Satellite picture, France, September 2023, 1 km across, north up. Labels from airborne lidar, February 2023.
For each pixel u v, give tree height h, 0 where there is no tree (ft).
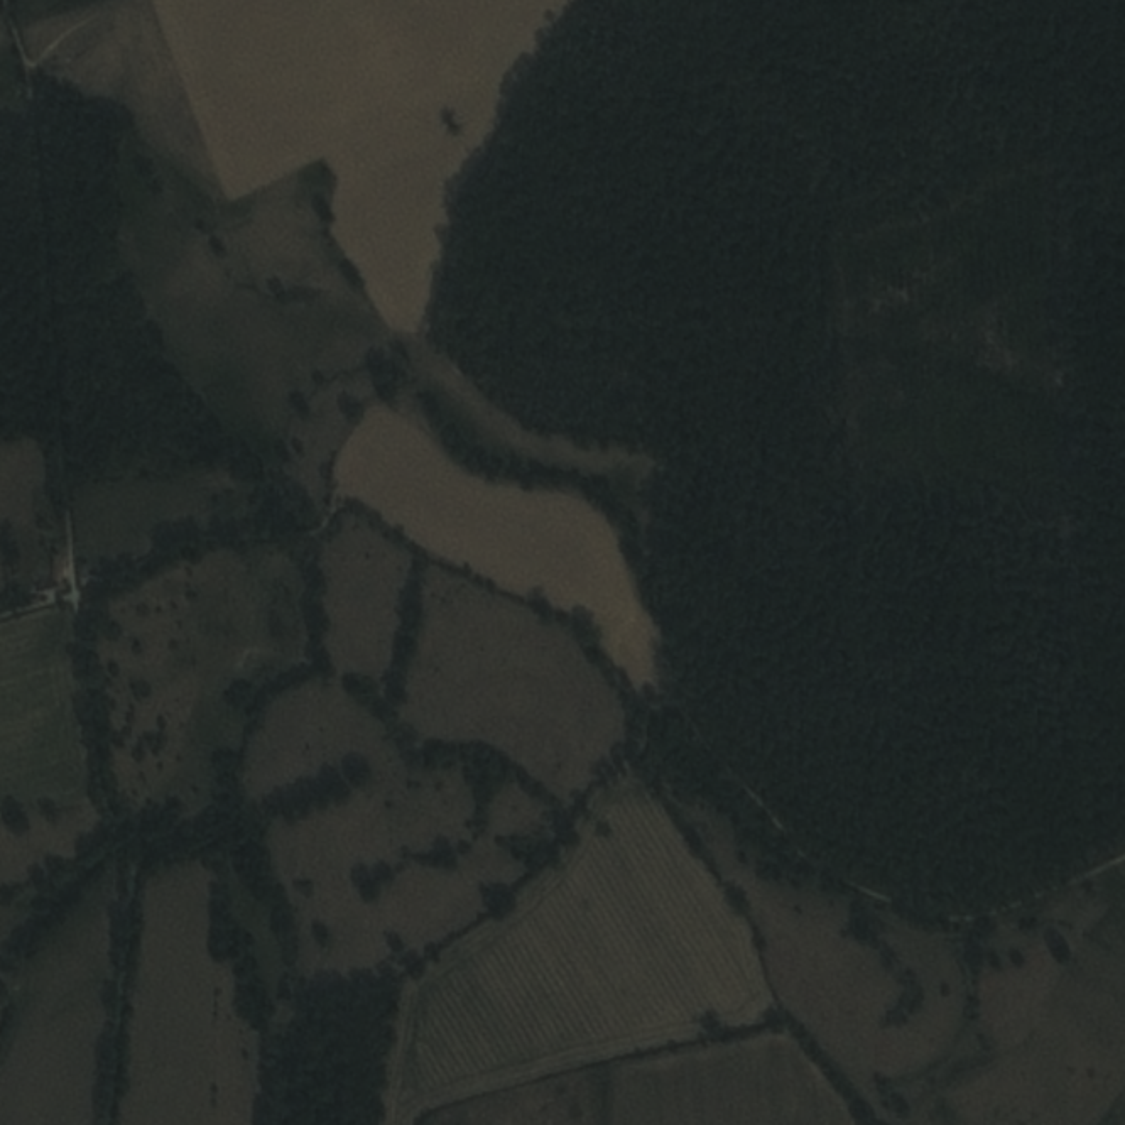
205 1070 0
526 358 52
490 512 0
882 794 50
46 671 0
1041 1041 0
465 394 0
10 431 44
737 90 51
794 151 50
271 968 0
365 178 0
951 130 40
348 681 27
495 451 0
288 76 0
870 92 54
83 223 74
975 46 47
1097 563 63
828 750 50
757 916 0
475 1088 0
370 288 0
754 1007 0
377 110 0
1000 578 48
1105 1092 0
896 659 59
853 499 55
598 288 49
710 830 0
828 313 49
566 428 30
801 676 50
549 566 0
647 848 0
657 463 35
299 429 0
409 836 0
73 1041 0
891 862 27
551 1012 0
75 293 50
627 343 63
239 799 54
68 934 0
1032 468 0
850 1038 0
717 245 48
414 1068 0
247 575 0
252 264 0
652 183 52
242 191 0
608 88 56
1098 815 60
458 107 0
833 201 51
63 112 63
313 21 0
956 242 0
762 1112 0
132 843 62
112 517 0
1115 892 0
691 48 55
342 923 0
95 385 48
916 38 38
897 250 0
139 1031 0
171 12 0
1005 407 0
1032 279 0
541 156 64
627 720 18
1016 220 0
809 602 60
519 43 0
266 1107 54
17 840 0
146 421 68
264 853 24
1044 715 44
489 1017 0
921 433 0
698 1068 0
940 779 30
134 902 19
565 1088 0
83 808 0
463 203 64
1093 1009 0
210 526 0
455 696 0
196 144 0
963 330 0
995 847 52
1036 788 74
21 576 0
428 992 0
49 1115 0
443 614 0
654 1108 0
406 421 0
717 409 47
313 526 35
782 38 66
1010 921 0
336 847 0
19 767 0
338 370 0
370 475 0
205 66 0
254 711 23
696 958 0
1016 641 44
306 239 0
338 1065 77
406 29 0
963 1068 0
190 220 0
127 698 0
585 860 0
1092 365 55
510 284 66
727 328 58
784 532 59
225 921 60
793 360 60
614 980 0
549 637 0
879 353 0
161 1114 0
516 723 0
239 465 66
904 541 58
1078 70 45
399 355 55
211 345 0
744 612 45
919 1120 0
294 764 0
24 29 0
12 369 48
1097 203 52
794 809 36
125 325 53
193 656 0
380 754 0
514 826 0
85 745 46
